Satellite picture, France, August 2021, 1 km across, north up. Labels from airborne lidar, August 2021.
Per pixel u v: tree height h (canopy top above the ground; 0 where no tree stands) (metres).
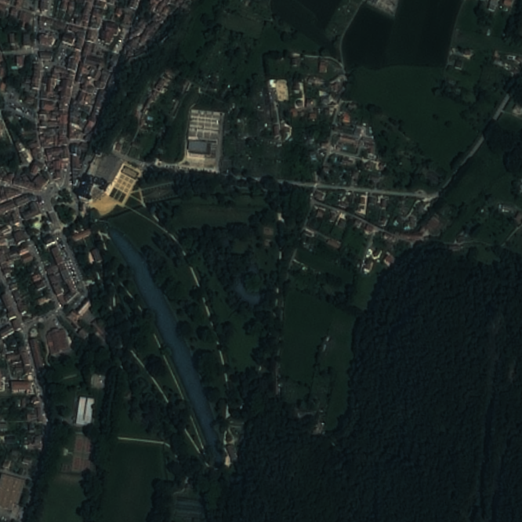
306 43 0
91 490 27
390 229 12
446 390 9
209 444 0
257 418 14
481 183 0
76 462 0
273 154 0
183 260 17
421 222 13
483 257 0
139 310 20
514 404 21
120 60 10
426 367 12
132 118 17
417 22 0
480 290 27
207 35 18
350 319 0
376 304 24
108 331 17
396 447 27
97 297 20
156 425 23
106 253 18
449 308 11
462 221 0
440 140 0
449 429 22
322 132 7
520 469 13
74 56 0
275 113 0
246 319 0
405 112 0
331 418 0
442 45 0
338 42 12
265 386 28
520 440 29
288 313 0
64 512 0
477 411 24
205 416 0
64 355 10
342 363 0
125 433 0
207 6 0
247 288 20
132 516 0
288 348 0
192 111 0
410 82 0
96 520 26
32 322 0
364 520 25
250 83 17
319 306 0
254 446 15
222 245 19
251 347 0
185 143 0
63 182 0
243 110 13
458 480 19
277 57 11
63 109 0
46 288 6
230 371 25
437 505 12
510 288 14
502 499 20
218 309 0
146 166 0
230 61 6
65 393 25
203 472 29
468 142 0
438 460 25
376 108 18
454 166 15
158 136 6
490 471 16
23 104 0
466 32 0
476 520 19
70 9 0
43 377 18
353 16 0
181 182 26
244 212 0
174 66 8
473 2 0
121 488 0
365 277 0
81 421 0
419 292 13
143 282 0
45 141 0
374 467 22
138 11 10
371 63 0
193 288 9
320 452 29
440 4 0
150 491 0
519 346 21
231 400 14
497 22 0
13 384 0
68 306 20
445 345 13
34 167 0
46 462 31
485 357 10
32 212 0
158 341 0
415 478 19
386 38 0
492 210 15
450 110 0
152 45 10
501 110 0
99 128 7
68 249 0
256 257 21
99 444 27
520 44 22
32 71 11
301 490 17
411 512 16
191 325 18
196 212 0
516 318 22
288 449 12
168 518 20
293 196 32
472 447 20
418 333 17
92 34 0
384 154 19
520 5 21
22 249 0
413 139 0
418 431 15
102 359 36
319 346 10
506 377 8
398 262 12
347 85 17
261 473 6
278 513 8
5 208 0
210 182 24
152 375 25
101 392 0
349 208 9
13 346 9
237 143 0
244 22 0
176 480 9
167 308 0
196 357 0
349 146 0
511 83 16
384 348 19
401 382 9
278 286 17
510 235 0
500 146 14
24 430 7
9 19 9
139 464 0
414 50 0
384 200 0
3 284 8
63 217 14
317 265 0
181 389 0
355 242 0
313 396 5
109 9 6
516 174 10
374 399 24
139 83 8
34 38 11
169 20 11
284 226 22
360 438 29
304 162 6
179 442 20
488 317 10
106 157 0
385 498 12
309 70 0
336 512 25
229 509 30
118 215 0
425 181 8
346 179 14
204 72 10
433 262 11
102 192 0
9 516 0
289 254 10
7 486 0
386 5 0
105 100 8
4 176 0
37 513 25
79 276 0
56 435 34
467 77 0
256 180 10
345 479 36
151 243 0
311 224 8
